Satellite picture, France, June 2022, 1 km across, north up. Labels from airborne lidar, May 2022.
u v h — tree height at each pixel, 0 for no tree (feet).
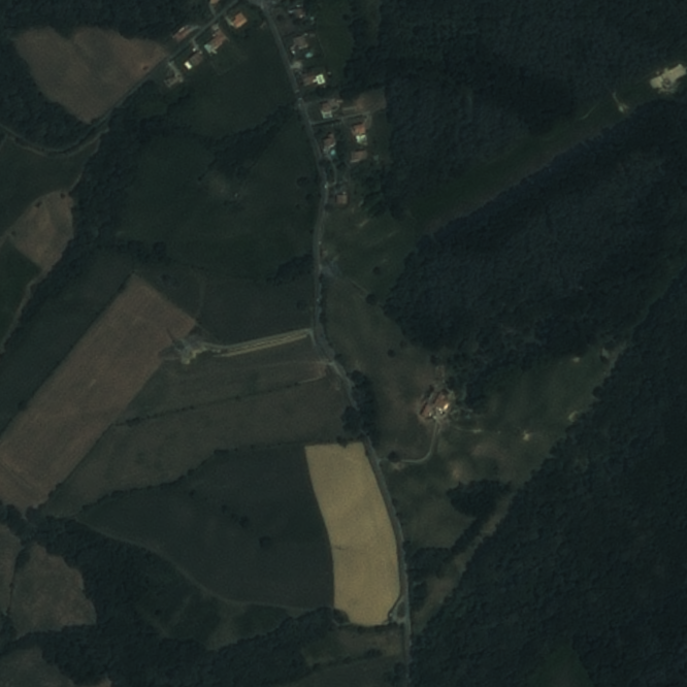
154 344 0
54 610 0
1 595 0
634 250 96
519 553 93
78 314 0
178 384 0
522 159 0
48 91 0
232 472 0
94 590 58
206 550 0
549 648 32
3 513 56
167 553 0
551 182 115
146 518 0
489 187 0
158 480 0
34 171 0
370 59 74
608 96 78
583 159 110
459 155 56
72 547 65
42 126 60
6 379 0
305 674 32
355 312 0
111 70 0
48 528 59
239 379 0
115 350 0
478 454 0
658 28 71
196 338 0
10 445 0
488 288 56
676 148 107
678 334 59
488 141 70
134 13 72
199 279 0
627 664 84
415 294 79
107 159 67
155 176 0
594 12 62
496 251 82
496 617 65
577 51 47
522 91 123
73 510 0
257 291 0
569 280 79
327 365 0
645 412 110
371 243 0
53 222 0
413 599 24
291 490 0
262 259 0
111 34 0
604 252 74
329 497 0
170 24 56
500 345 28
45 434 0
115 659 85
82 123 25
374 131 0
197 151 0
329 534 0
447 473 0
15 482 0
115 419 0
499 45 88
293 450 0
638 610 56
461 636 91
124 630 76
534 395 0
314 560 0
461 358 53
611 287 95
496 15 36
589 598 58
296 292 0
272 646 43
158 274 0
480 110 75
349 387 0
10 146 0
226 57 0
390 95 42
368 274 0
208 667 76
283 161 0
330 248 0
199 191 0
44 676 0
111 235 66
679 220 58
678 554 56
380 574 0
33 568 0
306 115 0
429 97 79
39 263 0
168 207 0
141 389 0
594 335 32
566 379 0
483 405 98
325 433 0
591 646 84
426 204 0
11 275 0
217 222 0
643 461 60
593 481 86
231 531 0
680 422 65
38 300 35
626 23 71
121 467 0
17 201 0
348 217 0
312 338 0
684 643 105
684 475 42
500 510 0
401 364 0
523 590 59
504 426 0
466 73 104
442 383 0
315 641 51
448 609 55
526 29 72
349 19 51
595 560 49
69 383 0
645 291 77
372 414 80
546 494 87
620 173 79
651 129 117
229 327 0
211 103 0
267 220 0
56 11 80
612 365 0
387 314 32
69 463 0
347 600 0
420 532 0
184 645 63
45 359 0
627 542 50
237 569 0
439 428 0
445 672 87
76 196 24
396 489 0
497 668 71
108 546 43
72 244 29
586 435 74
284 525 0
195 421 0
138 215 0
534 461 0
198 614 0
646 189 89
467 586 60
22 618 0
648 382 66
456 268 60
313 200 34
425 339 66
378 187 37
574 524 60
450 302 73
